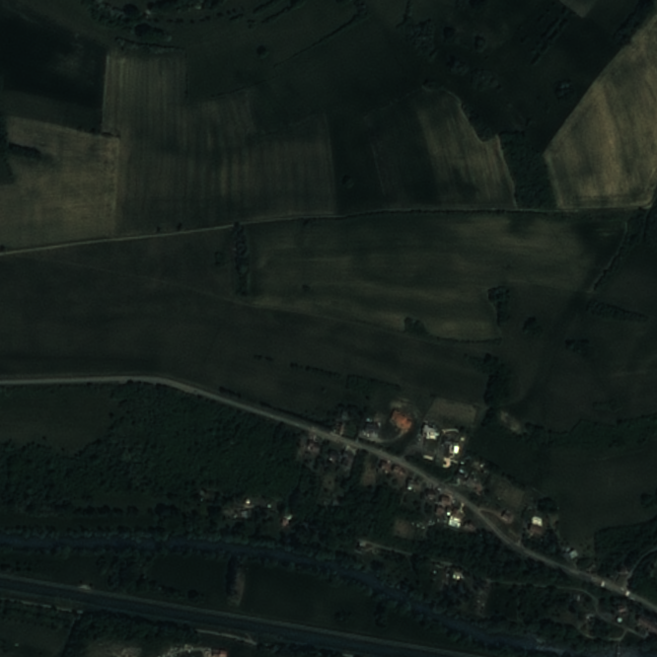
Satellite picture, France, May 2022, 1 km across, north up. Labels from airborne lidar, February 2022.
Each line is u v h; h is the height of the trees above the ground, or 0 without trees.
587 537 0
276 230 0
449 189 0
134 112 0
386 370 0
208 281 0
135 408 6
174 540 0
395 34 0
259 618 0
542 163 6
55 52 0
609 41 0
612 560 20
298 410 0
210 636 0
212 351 0
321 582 0
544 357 0
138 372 0
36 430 0
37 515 7
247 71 0
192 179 0
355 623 0
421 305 0
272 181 0
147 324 0
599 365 0
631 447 0
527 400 0
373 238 0
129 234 0
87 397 0
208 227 0
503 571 11
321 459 7
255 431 11
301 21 0
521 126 0
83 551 8
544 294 0
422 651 0
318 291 0
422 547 10
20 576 0
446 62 0
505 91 0
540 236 0
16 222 0
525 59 0
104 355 0
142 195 0
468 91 0
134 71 0
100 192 0
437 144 0
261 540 19
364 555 0
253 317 0
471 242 0
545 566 16
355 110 0
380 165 0
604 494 0
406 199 0
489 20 0
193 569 0
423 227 0
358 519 10
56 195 0
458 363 0
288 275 0
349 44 0
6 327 0
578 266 0
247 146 0
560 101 7
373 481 0
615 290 0
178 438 6
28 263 0
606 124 0
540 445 12
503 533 0
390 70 0
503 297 12
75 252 0
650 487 0
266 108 0
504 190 0
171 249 0
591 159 0
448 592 20
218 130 0
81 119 0
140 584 19
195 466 6
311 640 0
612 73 0
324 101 0
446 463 0
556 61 0
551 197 6
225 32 0
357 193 0
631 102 0
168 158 0
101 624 11
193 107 0
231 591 20
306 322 0
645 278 0
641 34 0
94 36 0
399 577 0
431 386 0
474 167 0
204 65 0
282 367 0
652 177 0
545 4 0
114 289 0
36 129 0
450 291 0
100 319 0
